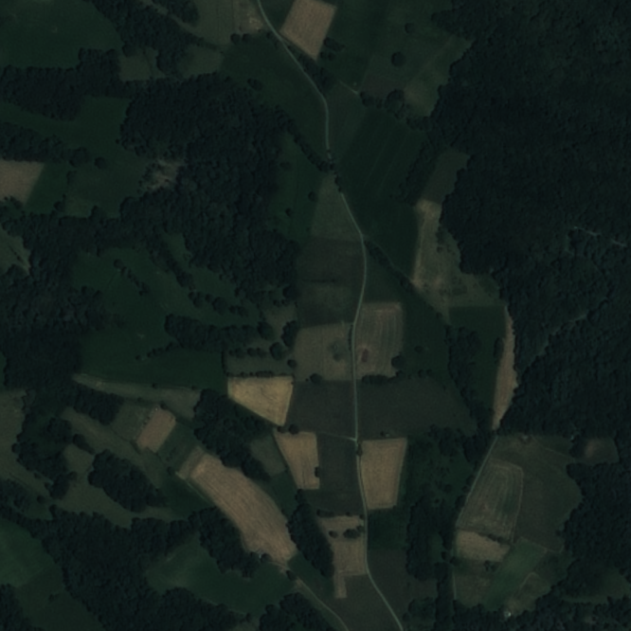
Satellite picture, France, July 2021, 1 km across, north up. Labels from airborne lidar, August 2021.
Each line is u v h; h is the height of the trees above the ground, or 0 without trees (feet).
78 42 0
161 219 63
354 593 0
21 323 63
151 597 76
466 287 0
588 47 73
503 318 0
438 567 63
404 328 0
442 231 27
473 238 104
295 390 0
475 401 63
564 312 80
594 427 77
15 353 66
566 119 95
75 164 89
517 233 76
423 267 0
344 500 0
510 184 73
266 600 0
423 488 22
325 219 0
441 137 42
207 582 0
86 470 0
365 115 0
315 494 0
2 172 0
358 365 0
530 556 0
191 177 110
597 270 56
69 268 78
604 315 88
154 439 0
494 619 61
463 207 79
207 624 34
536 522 0
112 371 0
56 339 98
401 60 63
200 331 89
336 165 38
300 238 0
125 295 0
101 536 43
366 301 0
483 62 72
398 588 0
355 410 0
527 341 100
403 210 0
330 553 79
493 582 0
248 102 65
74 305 69
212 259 80
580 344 88
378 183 0
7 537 0
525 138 73
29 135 76
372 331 0
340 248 0
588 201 71
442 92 54
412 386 0
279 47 30
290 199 0
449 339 36
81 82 73
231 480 0
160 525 73
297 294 63
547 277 82
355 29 0
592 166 75
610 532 93
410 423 0
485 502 0
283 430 41
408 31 39
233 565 60
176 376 0
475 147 76
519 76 77
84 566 56
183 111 65
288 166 26
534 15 73
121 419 0
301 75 0
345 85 0
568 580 31
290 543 0
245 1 0
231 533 76
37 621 0
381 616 0
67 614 0
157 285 0
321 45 0
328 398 0
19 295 64
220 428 58
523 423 67
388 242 0
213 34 0
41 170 0
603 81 68
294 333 66
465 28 32
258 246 67
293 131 59
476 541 0
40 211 0
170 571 0
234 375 32
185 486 0
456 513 36
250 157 75
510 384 0
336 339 0
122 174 0
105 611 80
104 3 68
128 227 70
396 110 50
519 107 89
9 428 0
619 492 66
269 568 0
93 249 52
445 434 52
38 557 0
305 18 0
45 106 66
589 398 70
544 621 70
